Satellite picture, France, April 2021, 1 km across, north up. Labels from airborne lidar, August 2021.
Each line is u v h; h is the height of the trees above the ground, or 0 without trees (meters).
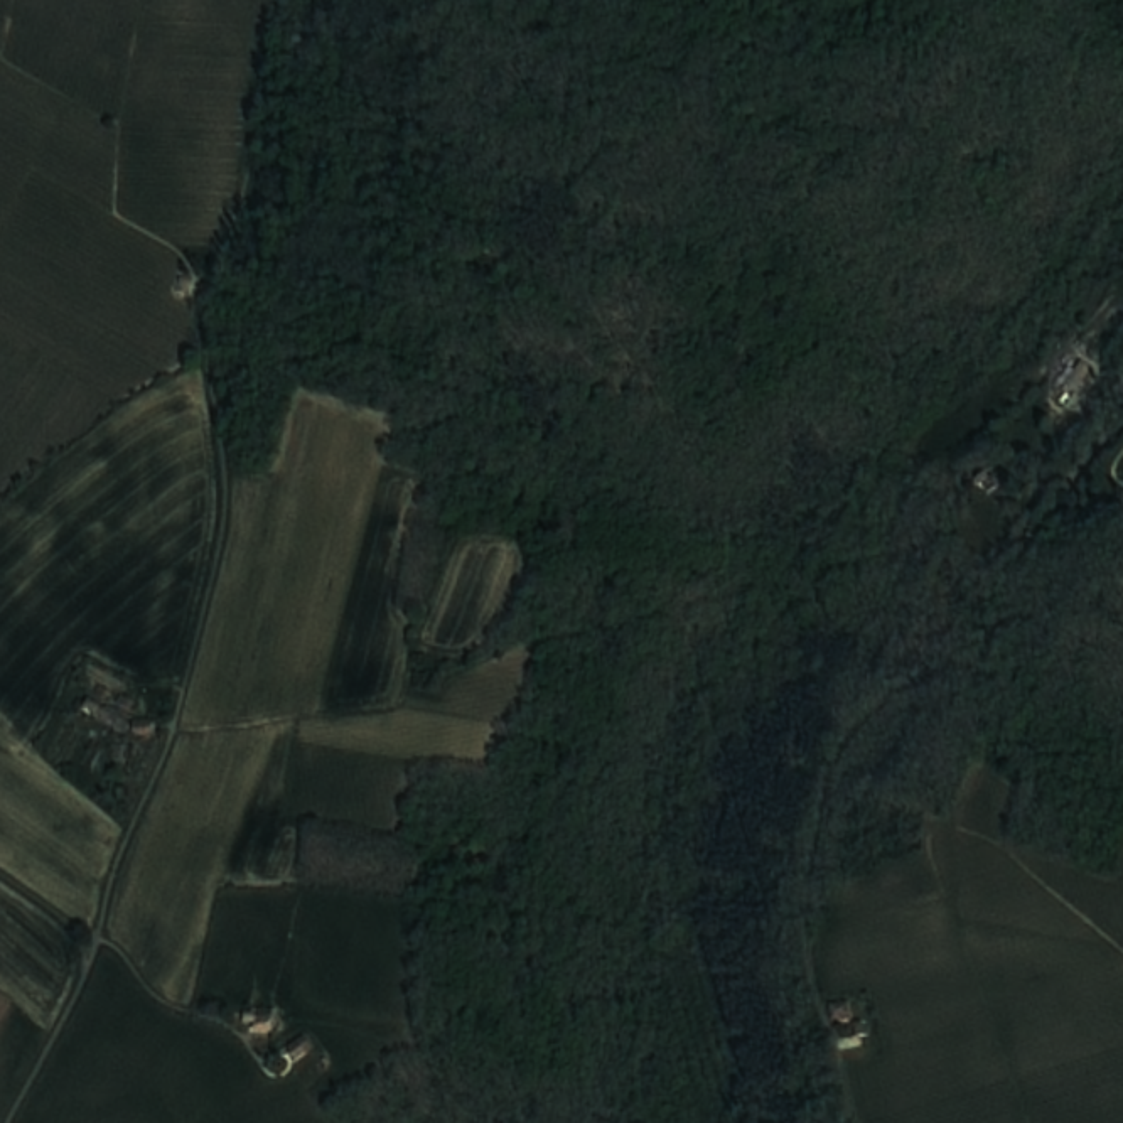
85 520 0
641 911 19
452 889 23
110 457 0
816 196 19
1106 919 0
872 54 19
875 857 11
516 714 14
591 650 16
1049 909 0
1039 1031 0
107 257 0
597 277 17
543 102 15
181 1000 0
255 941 0
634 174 18
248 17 0
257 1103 0
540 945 28
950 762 18
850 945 0
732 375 24
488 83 19
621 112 18
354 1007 0
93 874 0
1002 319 13
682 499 18
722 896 11
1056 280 19
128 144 0
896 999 0
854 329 18
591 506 24
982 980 0
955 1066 0
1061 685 21
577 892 26
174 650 0
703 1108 11
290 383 14
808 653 18
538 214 20
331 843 20
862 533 15
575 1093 21
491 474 22
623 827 22
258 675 0
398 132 6
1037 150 20
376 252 20
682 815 21
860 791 14
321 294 19
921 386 17
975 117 20
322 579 0
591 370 19
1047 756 23
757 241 24
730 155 17
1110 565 20
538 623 20
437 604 0
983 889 0
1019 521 10
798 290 24
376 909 0
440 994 22
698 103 21
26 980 0
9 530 0
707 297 17
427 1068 16
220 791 0
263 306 16
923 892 0
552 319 17
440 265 21
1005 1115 0
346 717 0
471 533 12
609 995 24
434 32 13
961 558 20
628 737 23
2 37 0
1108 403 19
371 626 0
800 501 19
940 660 9
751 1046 16
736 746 20
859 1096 0
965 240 19
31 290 0
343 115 20
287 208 14
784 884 25
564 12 20
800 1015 22
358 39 17
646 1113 17
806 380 23
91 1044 0
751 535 22
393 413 14
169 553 0
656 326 15
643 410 18
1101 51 17
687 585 14
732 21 20
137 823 0
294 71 21
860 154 17
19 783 0
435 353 16
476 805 15
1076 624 17
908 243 15
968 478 13
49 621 0
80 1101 0
